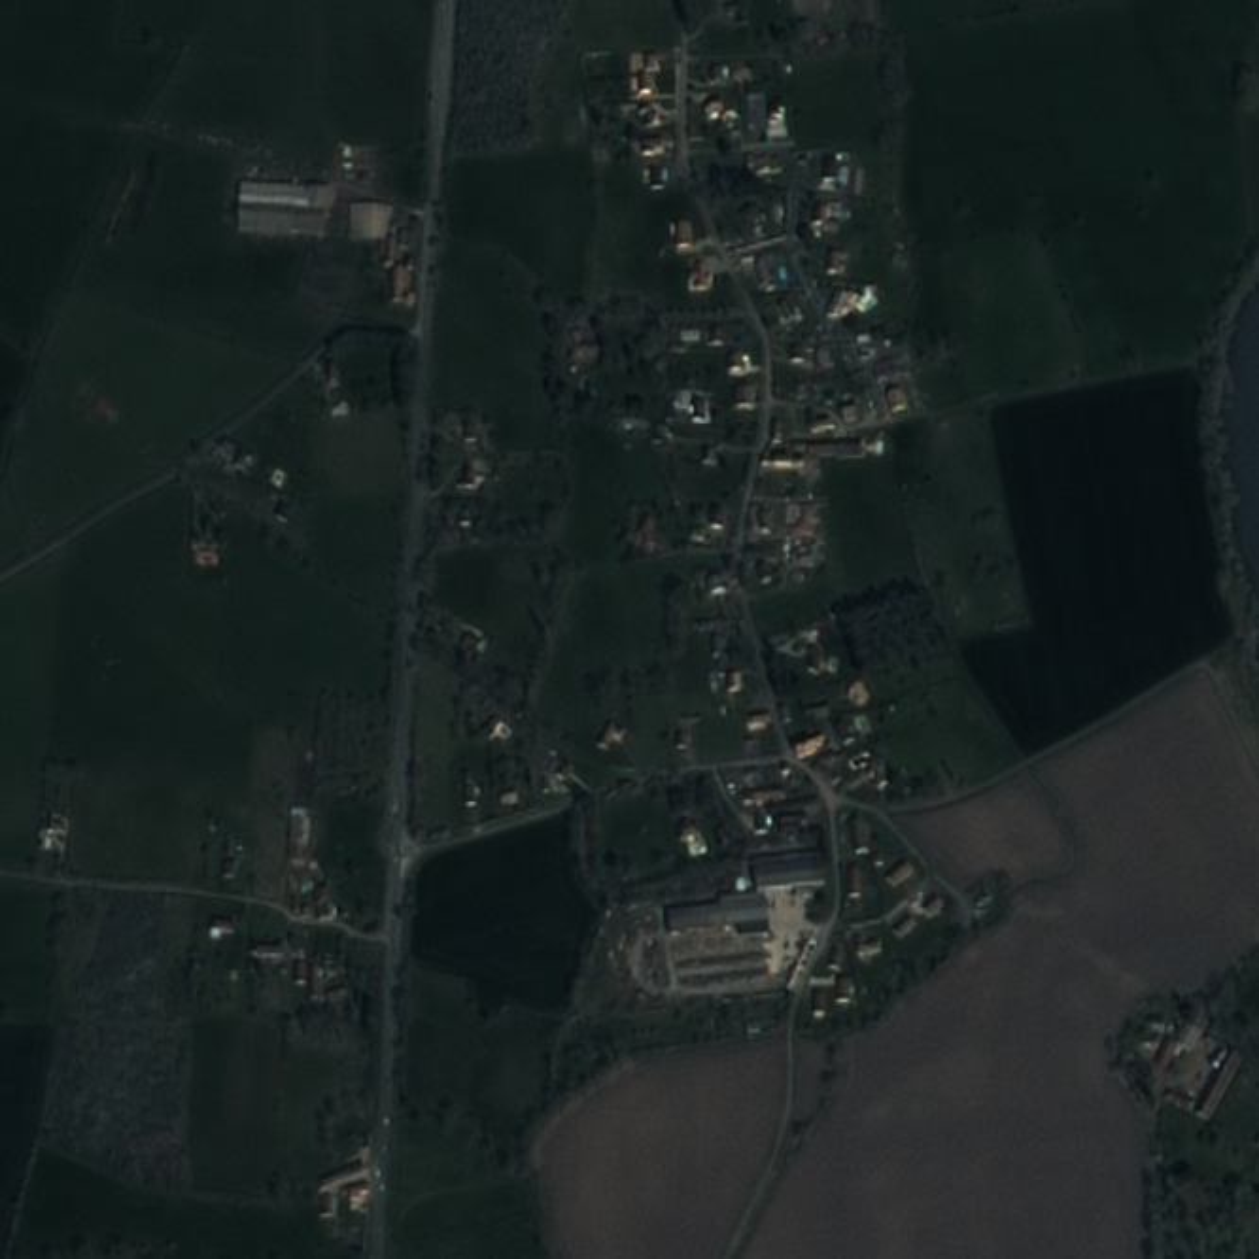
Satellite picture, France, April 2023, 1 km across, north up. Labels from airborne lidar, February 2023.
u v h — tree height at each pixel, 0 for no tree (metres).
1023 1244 0
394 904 0
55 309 0
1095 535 0
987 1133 0
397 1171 0
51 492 0
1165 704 0
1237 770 0
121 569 0
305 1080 0
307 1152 0
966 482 0
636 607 0
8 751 0
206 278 0
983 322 0
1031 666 0
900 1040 0
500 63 8
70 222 0
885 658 20
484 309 0
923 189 0
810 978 0
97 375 0
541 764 0
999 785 0
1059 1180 0
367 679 0
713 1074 0
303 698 0
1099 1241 0
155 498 0
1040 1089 0
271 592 0
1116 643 0
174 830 0
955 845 0
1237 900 0
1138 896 0
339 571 0
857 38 14
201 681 0
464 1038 0
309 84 0
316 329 0
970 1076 0
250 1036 0
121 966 6
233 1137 0
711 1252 0
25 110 0
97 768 0
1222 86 0
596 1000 0
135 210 0
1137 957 0
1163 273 0
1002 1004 0
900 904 0
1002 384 0
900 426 0
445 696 0
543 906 0
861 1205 0
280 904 0
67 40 0
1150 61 0
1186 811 0
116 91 0
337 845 0
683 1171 0
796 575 6
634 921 0
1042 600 0
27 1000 0
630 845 0
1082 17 0
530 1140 13
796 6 0
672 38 0
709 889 12
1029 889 0
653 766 0
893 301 0
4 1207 0
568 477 6
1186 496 0
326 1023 18
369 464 0
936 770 0
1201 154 0
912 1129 0
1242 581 10
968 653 0
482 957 0
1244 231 0
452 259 0
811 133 0
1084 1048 0
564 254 0
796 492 9
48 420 0
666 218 0
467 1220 0
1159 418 0
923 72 0
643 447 0
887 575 0
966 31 0
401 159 0
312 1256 0
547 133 0
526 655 0
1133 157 0
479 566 0
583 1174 0
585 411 15
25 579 0
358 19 0
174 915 0
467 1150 0
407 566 10
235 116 0
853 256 0
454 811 0
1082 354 0
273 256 0
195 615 0
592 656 0
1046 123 0
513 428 0
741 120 0
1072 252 0
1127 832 0
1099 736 0
